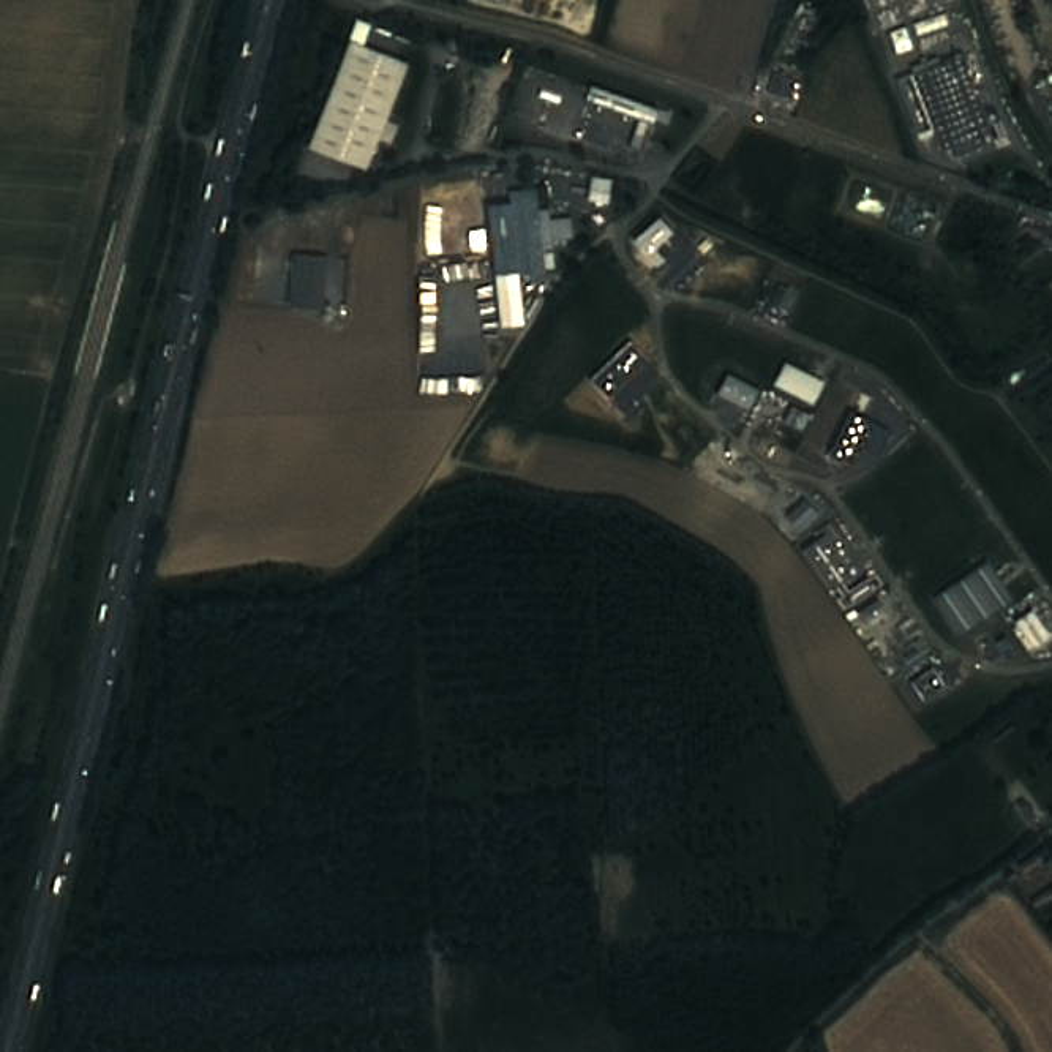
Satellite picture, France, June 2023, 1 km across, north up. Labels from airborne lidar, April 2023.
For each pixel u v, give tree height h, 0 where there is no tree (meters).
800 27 0
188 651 23
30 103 0
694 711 8
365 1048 28
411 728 22
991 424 0
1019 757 0
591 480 0
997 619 0
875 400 0
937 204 0
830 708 0
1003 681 0
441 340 0
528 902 28
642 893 0
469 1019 0
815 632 0
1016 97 10
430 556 7
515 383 0
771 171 0
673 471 0
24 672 0
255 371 0
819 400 0
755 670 0
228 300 0
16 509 0
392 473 0
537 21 0
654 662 10
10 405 0
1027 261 0
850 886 0
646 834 0
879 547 0
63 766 0
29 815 19
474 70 0
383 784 22
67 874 0
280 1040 27
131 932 21
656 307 0
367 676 21
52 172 0
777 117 0
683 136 0
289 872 21
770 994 19
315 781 26
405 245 0
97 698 0
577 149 13
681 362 0
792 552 0
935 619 0
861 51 0
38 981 0
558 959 19
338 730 20
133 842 18
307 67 0
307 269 0
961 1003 0
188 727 22
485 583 12
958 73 0
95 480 0
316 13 15
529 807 24
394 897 23
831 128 0
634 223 0
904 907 0
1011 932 0
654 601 15
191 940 19
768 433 0
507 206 0
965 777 0
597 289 0
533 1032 0
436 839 24
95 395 0
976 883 9
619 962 13
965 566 0
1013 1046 0
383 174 9
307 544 0
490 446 0
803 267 0
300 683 23
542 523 8
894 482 0
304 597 6
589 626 9
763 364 0
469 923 26
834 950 19
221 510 0
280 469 0
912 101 0
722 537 0
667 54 0
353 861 24
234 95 0
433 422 0
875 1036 0
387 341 0
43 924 0
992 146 0
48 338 0
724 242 0
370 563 0
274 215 0
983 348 0
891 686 0
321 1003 27
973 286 0
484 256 0
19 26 0
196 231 0
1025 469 0
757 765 0
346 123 0
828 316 0
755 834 0
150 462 0
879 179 0
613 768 13
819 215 0
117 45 0
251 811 0
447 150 0
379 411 0
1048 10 0
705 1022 18
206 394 0
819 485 0
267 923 21
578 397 0
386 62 0
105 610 0
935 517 0
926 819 0
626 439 0
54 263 0
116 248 0
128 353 7
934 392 0
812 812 0
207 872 19
